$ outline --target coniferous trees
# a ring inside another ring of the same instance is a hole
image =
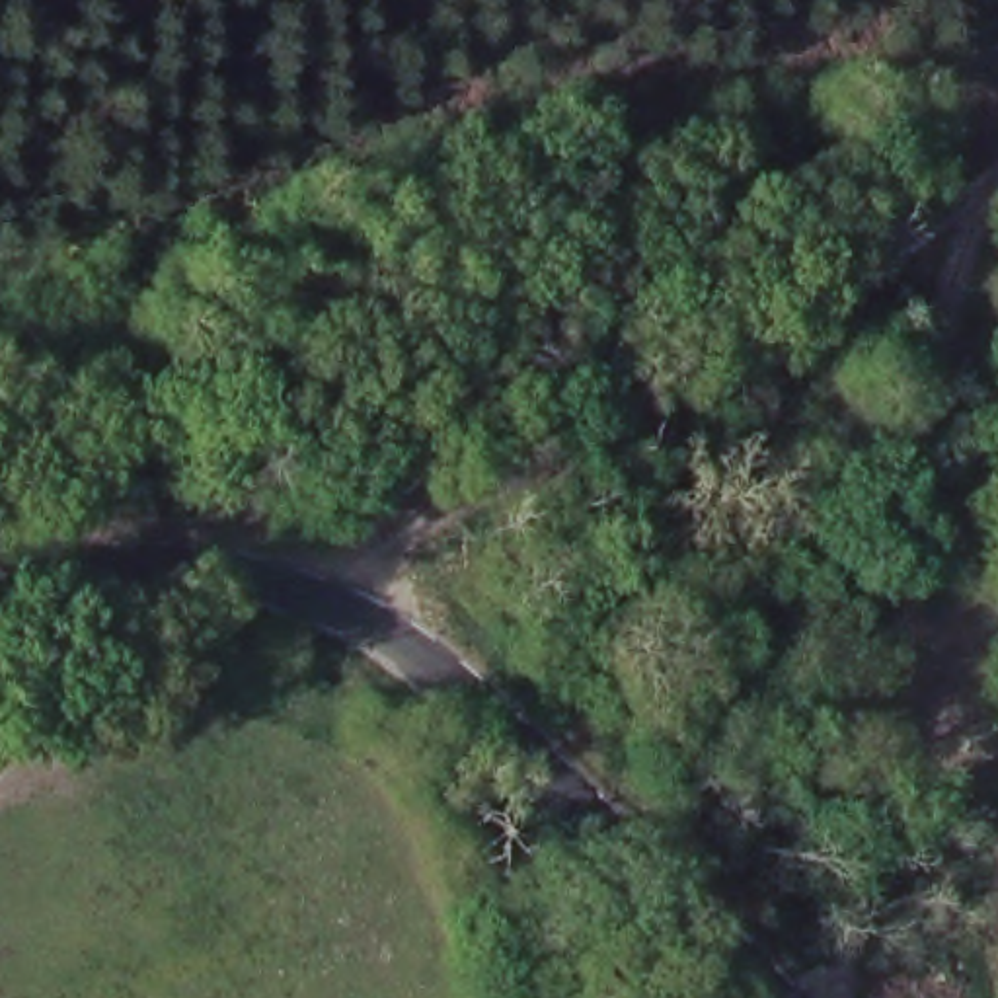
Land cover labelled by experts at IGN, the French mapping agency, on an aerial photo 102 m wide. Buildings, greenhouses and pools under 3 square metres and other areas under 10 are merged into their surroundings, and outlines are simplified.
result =
[[[70,246],[86,246],[117,222],[121,207],[156,218],[179,234],[191,207],[207,207],[234,230],[269,191],[288,183],[308,164],[335,160],[359,172],[394,172],[402,152],[429,148],[444,156],[452,125],[464,121],[464,113],[483,117],[487,97],[507,94],[522,117],[530,117],[538,101],[565,78],[593,86],[589,101],[596,105],[620,105],[628,136],[655,144],[671,136],[678,125],[698,121],[721,90],[702,62],[749,66],[756,43],[776,51],[787,66],[826,62],[834,74],[842,74],[858,62],[858,55],[865,55],[901,74],[955,78],[959,105],[951,105],[951,133],[959,144],[963,183],[998,179],[998,0],[0,0],[0,257],[12,257],[16,250],[35,250],[35,242],[55,242],[58,234],[66,234]]]

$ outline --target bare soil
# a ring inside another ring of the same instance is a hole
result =
[[[390,604],[386,585],[402,565],[402,546],[409,542],[405,526],[413,518],[437,518],[441,507],[429,499],[429,491],[398,480],[394,515],[378,515],[374,530],[363,542],[335,546],[316,569],[324,577],[359,585],[374,604]]]

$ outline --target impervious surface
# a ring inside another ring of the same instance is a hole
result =
[[[511,737],[518,741],[518,749],[526,756],[546,760],[550,768],[550,780],[542,795],[530,803],[530,811],[554,815],[557,826],[585,823],[616,834],[624,826],[620,799],[608,795],[596,780],[589,780],[569,745],[538,721],[538,690],[522,678],[503,678],[472,667],[460,651],[429,628],[405,624],[390,604],[374,604],[359,585],[324,577],[316,569],[335,546],[281,538],[253,515],[218,515],[187,507],[172,526],[148,526],[144,534],[121,538],[113,546],[62,542],[43,546],[35,554],[35,573],[74,565],[94,589],[101,581],[125,581],[152,593],[160,593],[168,573],[199,561],[203,554],[222,554],[234,565],[250,600],[269,616],[285,620],[304,624],[312,635],[335,639],[351,655],[370,651],[386,674],[405,678],[417,694],[468,686],[483,702],[495,698],[507,710]]]

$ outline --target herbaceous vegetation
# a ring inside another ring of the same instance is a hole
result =
[[[405,624],[429,628],[460,651],[480,635],[480,624],[464,616],[456,600],[468,589],[476,589],[468,550],[476,538],[480,511],[468,499],[441,507],[437,518],[413,518],[405,526],[409,542],[402,546],[402,565],[386,585],[390,604]]]
[[[936,713],[943,706],[959,706],[967,713],[982,702],[982,608],[971,596],[932,593],[924,600],[889,600],[877,616],[877,632],[893,647],[908,643],[916,651],[912,682],[897,690],[897,721],[912,725],[920,749],[932,741]]]
[[[324,686],[273,698],[273,686],[265,678],[211,671],[191,682],[191,690],[199,690],[199,702],[187,710],[187,717],[179,721],[172,713],[168,721],[152,725],[152,741],[140,749],[140,756],[90,756],[78,776],[62,768],[62,756],[27,760],[23,768],[0,772],[0,998],[448,998],[441,963],[441,912],[448,912],[448,889],[441,877],[433,815],[421,815],[413,807],[394,811],[386,795],[374,791],[366,776],[370,768],[355,764],[343,749],[335,749],[339,698],[331,690],[343,682],[343,663],[351,655],[335,639],[312,635],[304,624],[285,620],[277,628],[277,639],[288,655],[312,651],[312,667],[324,678]]]

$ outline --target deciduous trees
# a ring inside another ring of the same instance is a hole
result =
[[[620,105],[596,105],[589,101],[593,86],[565,78],[538,101],[530,117],[522,117],[507,94],[487,97],[483,117],[464,113],[464,121],[452,125],[444,156],[429,148],[402,152],[394,172],[359,172],[335,160],[308,164],[288,183],[269,191],[234,230],[207,207],[191,207],[179,234],[156,218],[121,207],[117,222],[86,246],[70,246],[66,234],[58,234],[55,242],[35,242],[35,250],[16,250],[12,257],[0,257],[0,772],[23,768],[27,760],[62,756],[62,768],[78,776],[90,756],[140,756],[140,749],[152,741],[152,725],[168,721],[172,713],[179,721],[187,717],[187,710],[199,702],[199,690],[191,690],[191,682],[211,671],[265,678],[273,686],[273,698],[324,686],[324,678],[312,667],[312,651],[288,655],[277,639],[277,628],[285,620],[269,616],[250,600],[234,565],[222,554],[203,554],[199,561],[168,573],[160,593],[152,593],[125,581],[101,581],[94,589],[74,565],[35,573],[35,554],[43,546],[62,542],[113,546],[121,538],[144,534],[148,526],[172,526],[187,507],[218,515],[253,515],[281,538],[335,546],[363,542],[374,530],[378,515],[394,515],[398,480],[429,491],[429,499],[441,507],[468,499],[480,511],[476,538],[468,550],[476,589],[468,589],[456,600],[464,616],[480,624],[480,635],[460,651],[472,667],[503,678],[522,678],[538,690],[538,721],[569,745],[589,780],[596,780],[608,795],[620,799],[624,826],[616,834],[585,823],[557,826],[554,815],[530,811],[530,803],[542,795],[550,780],[550,768],[546,760],[526,756],[518,749],[518,741],[511,737],[507,710],[495,698],[483,702],[468,686],[417,694],[405,678],[386,674],[370,651],[351,655],[343,663],[343,682],[331,690],[339,698],[335,749],[343,749],[355,764],[370,768],[366,776],[374,791],[386,795],[394,811],[413,807],[421,815],[433,815],[441,877],[448,889],[448,912],[441,912],[441,963],[448,998],[998,998],[998,179],[963,183],[959,144],[951,133],[951,105],[959,105],[955,78],[901,74],[865,55],[858,55],[858,62],[842,74],[834,74],[826,62],[787,66],[776,51],[756,43],[749,66],[702,62],[721,90],[698,121],[678,125],[671,136],[655,144],[628,136]],[[932,593],[971,596],[982,608],[982,702],[967,713],[959,706],[943,706],[936,713],[932,741],[920,749],[912,725],[897,721],[897,690],[912,682],[916,651],[908,643],[893,647],[877,632],[877,616],[889,600],[924,600]]]

